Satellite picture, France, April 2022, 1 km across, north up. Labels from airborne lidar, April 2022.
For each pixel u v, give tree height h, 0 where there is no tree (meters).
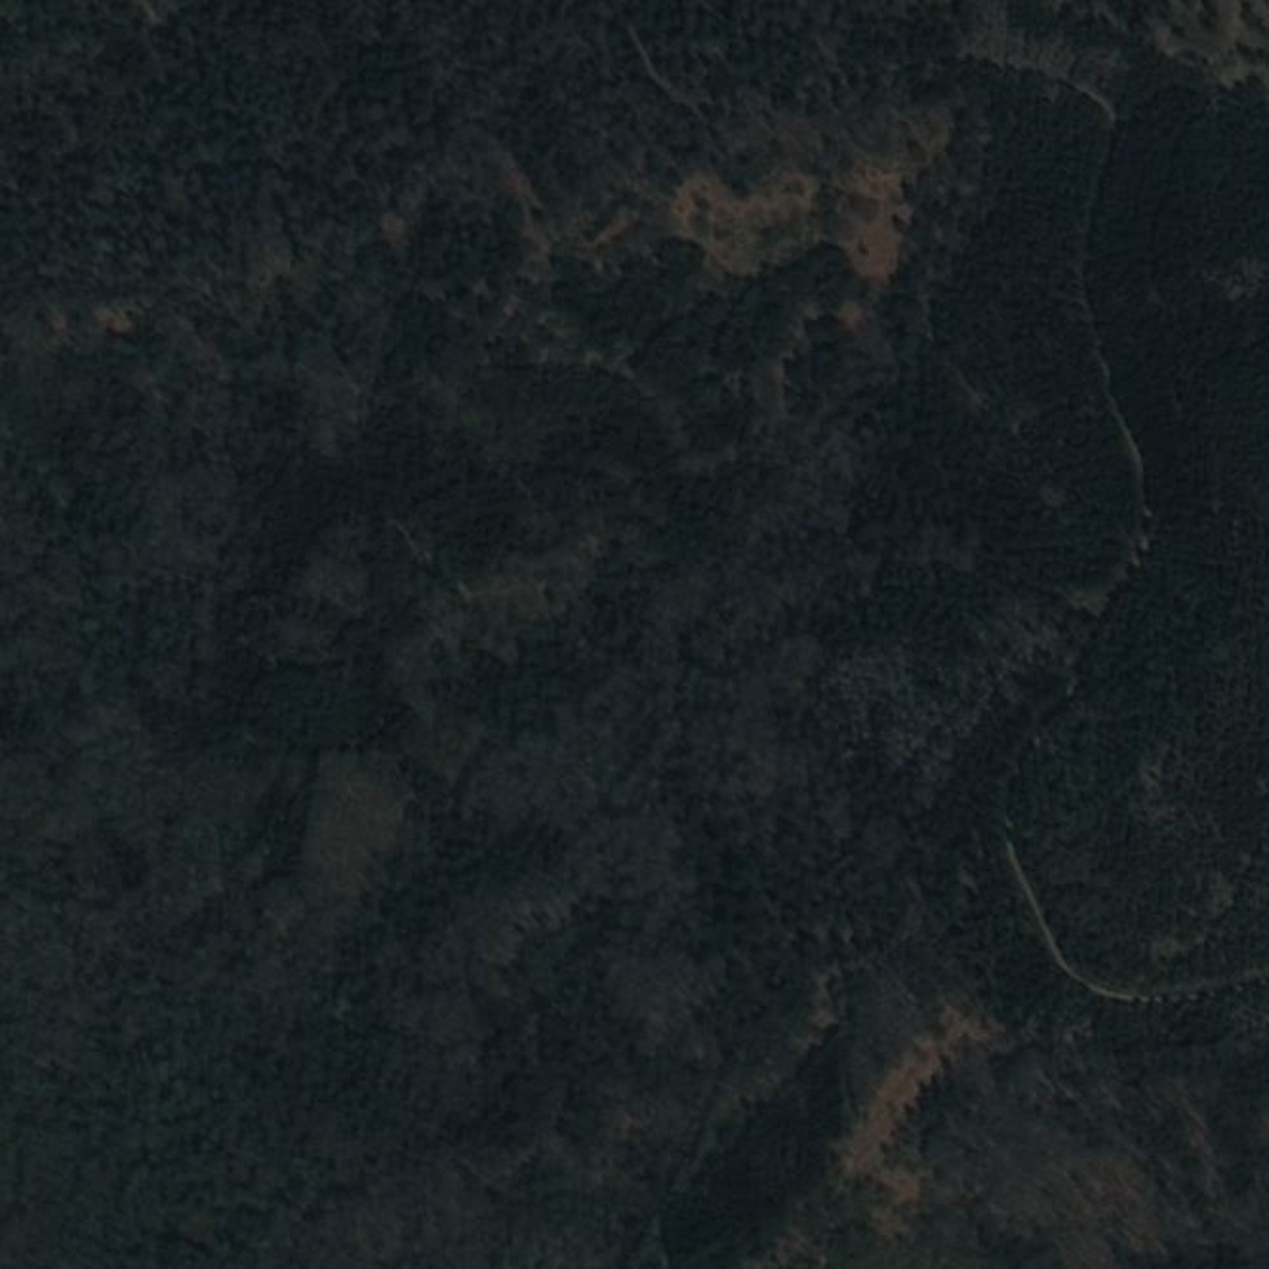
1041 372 25
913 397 31
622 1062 23
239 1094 25
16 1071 28
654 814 28
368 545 28
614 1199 13
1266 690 16
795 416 19
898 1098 0
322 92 29
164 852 25
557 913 33
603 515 27
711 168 16
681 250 27
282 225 30
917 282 28
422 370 25
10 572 33
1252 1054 29
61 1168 25
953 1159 21
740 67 24
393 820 26
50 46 24
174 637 28
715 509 15
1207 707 17
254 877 28
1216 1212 22
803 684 30
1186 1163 30
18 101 20
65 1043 35
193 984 32
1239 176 21
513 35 23
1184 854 15
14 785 23
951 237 28
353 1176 27
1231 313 19
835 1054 21
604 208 20
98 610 29
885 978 30
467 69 31
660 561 7
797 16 25
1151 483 17
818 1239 10
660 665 27
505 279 14
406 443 20
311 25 24
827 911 18
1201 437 17
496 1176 15
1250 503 16
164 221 36
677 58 19
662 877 28
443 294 21
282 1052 29
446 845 29
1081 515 18
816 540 13
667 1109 14
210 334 26
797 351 12
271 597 23
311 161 27
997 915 23
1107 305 16
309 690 29
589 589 37
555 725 13
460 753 7
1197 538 15
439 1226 23
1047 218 18
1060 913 16
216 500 34
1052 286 20
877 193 15
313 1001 26
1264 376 20
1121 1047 20
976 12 18
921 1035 30
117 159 21
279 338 5
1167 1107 30
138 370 21
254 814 22
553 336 11
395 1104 22
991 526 23
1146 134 19
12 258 20
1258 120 21
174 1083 28
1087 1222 33
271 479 28
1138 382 14
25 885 23
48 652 34
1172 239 20
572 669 34
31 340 29
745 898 13
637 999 27
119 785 31
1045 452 19
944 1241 16
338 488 24
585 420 16
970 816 27
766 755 34
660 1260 9
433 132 18
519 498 32
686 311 19
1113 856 15
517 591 33
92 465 27
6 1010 16
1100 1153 31
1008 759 18
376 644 32
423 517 29
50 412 27
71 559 32
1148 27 23
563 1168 11
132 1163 29
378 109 28
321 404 24
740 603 19
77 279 17
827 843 11
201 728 24
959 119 14
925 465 20
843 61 25
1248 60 20
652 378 26
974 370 17
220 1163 27
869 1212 8
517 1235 15
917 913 29
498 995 26
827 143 16
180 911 33
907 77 19
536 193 8
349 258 28
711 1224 18
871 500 16
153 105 23
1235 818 19
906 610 26
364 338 29
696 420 12
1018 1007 19
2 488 28
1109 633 17
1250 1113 30
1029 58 16
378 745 23
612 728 30
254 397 27
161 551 35
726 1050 19
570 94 19
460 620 38
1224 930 16
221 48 22
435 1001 30
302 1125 24
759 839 12
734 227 15
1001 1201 26
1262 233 19
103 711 33
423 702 28
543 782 33
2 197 34
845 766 21
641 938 13
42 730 29
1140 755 19
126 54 20
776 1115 23
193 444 10
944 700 28
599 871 29
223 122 29
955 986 32
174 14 30
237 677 23
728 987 19
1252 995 22
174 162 9
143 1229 27
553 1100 17
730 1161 17
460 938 33
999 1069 25
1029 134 15
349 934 25
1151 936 14
